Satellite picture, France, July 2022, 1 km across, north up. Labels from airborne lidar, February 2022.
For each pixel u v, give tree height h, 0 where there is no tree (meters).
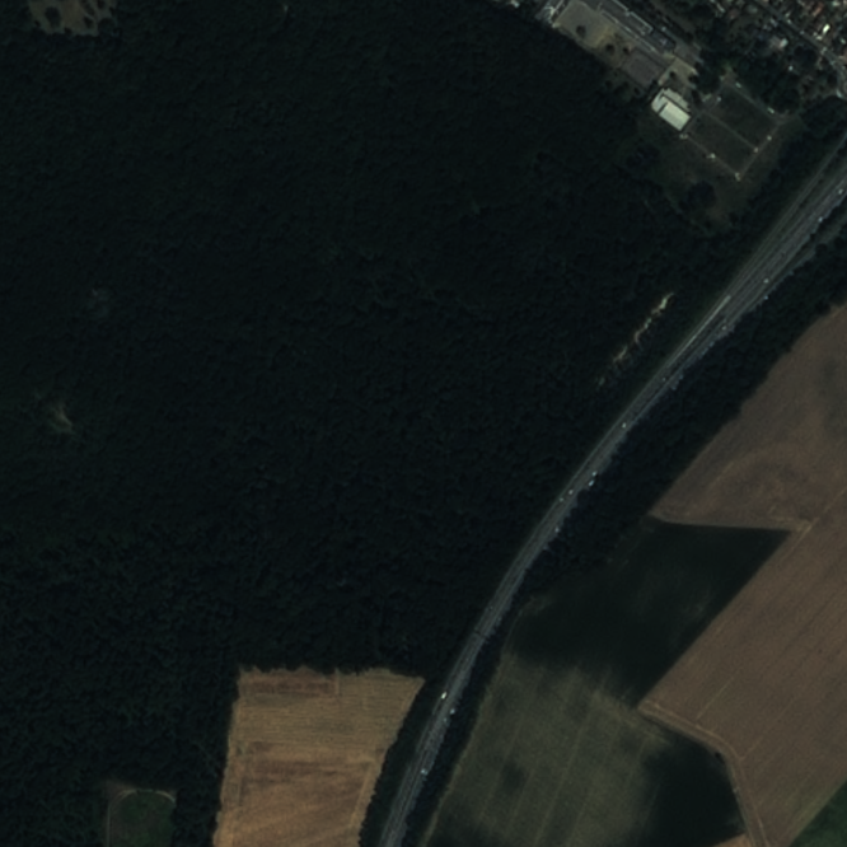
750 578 0
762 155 0
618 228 23
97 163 20
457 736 12
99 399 15
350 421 22
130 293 15
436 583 25
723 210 0
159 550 19
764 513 0
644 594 0
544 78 27
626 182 22
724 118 0
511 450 23
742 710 0
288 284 21
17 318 21
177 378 17
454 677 0
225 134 16
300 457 24
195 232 15
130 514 21
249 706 0
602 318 17
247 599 27
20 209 19
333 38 22
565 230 23
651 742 0
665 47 0
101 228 19
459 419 26
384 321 22
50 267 22
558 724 0
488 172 24
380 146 20
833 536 0
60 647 23
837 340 0
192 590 24
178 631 24
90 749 23
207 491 18
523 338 21
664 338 14
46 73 19
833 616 0
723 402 20
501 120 26
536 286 15
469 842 0
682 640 0
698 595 0
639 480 21
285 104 16
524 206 20
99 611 25
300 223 19
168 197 11
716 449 0
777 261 0
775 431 0
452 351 23
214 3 21
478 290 20
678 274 15
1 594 22
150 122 23
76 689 20
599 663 0
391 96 19
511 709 0
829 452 0
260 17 14
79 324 18
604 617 0
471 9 18
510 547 18
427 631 26
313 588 27
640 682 0
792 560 0
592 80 26
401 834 0
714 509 0
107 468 16
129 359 15
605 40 0
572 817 0
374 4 14
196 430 17
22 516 22
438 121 24
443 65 22
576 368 22
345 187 18
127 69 21
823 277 15
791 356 0
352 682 0
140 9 18
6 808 21
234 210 18
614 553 16
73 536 21
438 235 25
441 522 27
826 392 0
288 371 17
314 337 18
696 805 0
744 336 16
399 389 24
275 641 20
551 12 0
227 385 18
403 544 17
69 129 15
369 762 0
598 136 25
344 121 19
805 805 0
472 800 0
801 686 0
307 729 0
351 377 21
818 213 0
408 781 0
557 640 0
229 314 20
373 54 18
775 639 0
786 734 0
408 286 20
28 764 22
